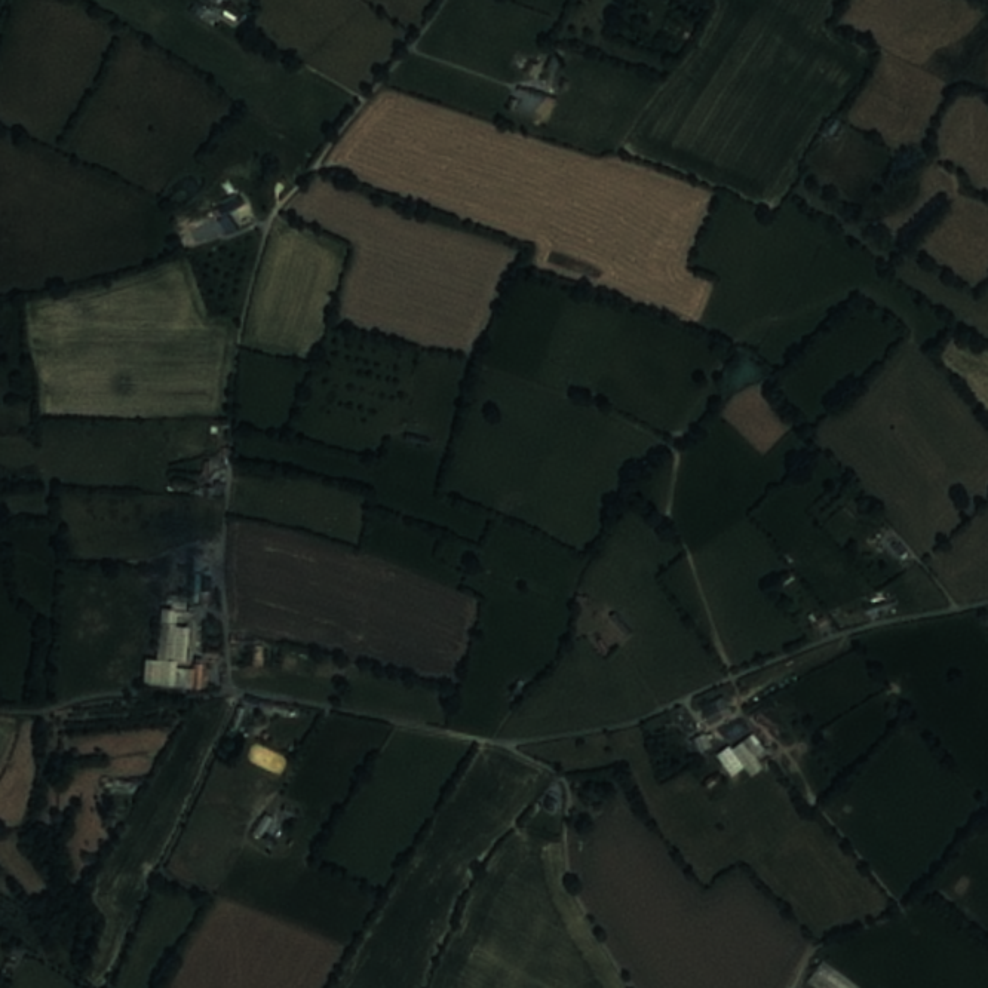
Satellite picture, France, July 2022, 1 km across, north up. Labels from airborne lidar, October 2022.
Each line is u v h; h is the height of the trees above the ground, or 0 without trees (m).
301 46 0
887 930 0
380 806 0
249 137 0
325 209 0
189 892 6
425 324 0
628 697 0
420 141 0
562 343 0
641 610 0
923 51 0
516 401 0
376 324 0
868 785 0
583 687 0
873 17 0
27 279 0
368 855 0
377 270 0
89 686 0
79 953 15
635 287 0
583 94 0
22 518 7
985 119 0
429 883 0
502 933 0
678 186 0
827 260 0
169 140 0
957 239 0
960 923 13
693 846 0
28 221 0
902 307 0
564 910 0
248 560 0
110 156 0
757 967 0
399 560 0
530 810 6
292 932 0
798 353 20
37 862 15
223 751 13
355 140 0
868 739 0
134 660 0
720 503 0
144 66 0
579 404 13
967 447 0
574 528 0
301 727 0
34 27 0
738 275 0
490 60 0
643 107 0
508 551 0
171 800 0
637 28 9
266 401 0
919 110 0
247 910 0
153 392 0
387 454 12
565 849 0
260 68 0
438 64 0
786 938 0
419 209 15
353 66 0
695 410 0
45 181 0
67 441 0
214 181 0
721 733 0
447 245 0
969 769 0
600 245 0
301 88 0
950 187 0
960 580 0
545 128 0
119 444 0
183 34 0
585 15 0
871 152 0
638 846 0
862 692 0
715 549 0
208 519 0
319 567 0
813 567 0
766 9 0
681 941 0
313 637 0
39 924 21
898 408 0
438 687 11
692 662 0
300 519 0
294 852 0
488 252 0
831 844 0
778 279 0
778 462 0
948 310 11
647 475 24
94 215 0
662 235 0
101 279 8
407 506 0
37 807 13
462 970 0
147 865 0
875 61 7
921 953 0
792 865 0
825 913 0
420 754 0
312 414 0
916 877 0
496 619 0
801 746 0
